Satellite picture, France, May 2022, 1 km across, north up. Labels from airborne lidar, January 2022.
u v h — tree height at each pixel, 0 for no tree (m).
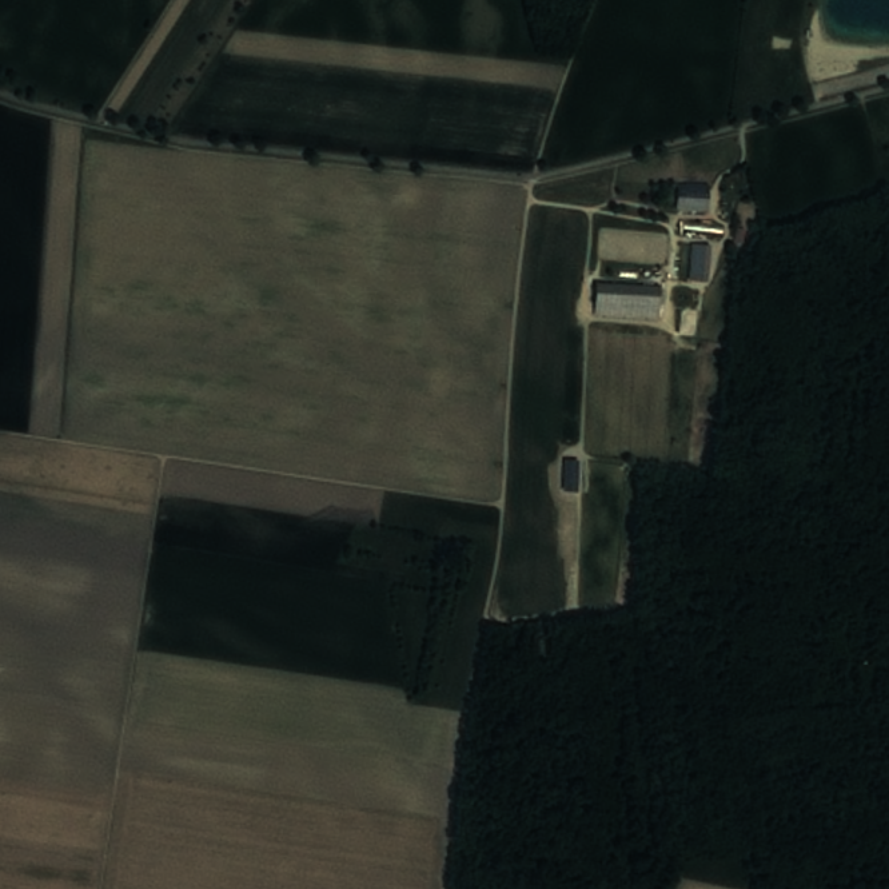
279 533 0
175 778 0
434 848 0
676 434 0
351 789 0
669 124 0
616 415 0
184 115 0
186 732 0
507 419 0
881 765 0
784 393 16
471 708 17
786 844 21
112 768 0
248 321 0
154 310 0
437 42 0
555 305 0
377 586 0
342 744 0
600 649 7
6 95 0
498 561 0
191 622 0
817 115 0
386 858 0
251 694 0
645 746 11
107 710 0
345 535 0
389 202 0
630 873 12
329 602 0
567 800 20
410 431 0
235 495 0
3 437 0
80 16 0
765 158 0
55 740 0
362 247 0
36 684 0
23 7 0
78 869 0
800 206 0
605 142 0
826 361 22
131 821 0
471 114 0
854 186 0
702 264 0
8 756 0
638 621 25
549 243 0
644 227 0
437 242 0
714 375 0
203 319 0
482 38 0
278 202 0
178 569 0
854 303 19
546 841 23
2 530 0
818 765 17
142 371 0
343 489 0
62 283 0
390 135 0
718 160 0
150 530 0
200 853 0
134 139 0
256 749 0
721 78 0
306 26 0
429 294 0
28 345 0
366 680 0
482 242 0
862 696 11
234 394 0
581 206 0
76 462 0
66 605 0
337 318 0
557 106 0
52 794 0
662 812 22
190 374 0
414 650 0
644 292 0
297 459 0
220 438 0
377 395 0
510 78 0
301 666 0
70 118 0
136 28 0
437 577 9
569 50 14
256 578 0
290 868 0
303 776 0
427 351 0
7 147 0
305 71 0
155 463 0
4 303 0
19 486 0
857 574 9
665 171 0
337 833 0
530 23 8
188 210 0
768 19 0
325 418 0
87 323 0
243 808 0
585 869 17
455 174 0
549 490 0
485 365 0
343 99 0
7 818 0
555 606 0
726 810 21
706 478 19
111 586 0
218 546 0
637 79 0
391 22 0
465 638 0
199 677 0
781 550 13
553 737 21
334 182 0
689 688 20
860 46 0
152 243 0
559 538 0
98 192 0
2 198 0
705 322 0
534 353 0
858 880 19
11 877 0
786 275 22
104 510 0
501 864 29
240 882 0
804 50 0
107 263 0
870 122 0
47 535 0
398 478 0
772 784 14
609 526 0
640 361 0
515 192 0
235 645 0
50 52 0
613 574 0
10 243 0
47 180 0
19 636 0
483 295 0
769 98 0
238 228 0
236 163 0
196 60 0
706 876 0
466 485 0
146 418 0
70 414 0
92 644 0
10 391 0
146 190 0
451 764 0
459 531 0
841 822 16
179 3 0
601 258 0
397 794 0
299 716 0
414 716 0
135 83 0
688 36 0
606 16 0
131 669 0
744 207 0
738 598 15
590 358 0
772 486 22
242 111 0
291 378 0
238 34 0
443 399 0
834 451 20
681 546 17
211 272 0
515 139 0
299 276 0
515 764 27
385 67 0
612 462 0
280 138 0
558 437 0
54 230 0
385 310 0
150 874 0
